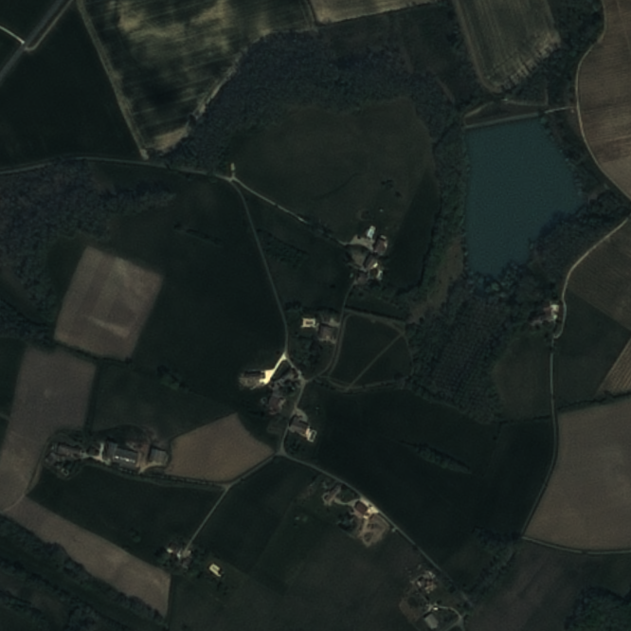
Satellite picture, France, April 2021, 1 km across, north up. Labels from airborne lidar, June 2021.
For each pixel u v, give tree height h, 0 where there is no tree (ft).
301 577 0
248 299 0
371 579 0
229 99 50
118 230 0
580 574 0
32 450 0
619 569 0
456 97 23
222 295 0
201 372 0
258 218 0
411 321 36
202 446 0
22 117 0
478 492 0
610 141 0
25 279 55
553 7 0
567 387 0
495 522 0
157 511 0
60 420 0
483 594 45
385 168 0
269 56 64
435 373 75
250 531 0
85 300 0
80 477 0
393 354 0
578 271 0
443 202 33
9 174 23
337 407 0
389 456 0
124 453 0
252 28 0
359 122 0
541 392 0
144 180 0
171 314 0
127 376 0
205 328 0
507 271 27
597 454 0
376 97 57
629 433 0
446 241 73
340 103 77
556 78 20
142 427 0
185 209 0
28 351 0
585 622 69
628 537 0
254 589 0
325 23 29
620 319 0
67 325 0
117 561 0
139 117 0
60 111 0
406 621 0
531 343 0
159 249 0
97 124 0
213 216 0
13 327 56
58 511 0
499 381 0
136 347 0
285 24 0
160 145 0
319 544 0
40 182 31
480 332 93
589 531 0
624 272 0
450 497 0
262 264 0
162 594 0
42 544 39
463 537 0
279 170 0
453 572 0
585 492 0
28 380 0
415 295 58
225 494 0
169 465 0
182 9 0
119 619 0
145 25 0
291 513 0
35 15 0
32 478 0
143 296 0
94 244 0
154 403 0
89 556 0
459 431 0
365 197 0
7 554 0
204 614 0
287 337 0
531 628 0
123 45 0
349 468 0
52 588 42
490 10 0
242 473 0
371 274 22
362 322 0
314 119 0
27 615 28
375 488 0
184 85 0
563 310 27
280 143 0
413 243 0
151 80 0
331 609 0
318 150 0
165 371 32
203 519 0
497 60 0
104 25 0
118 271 0
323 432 0
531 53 0
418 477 0
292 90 68
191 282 0
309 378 0
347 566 0
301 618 0
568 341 0
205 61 0
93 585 44
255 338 0
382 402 0
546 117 57
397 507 0
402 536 0
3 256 56
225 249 0
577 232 57
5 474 0
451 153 84
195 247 0
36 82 0
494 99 0
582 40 34
